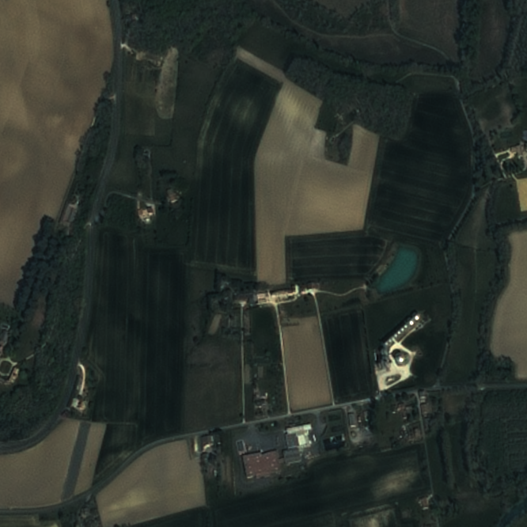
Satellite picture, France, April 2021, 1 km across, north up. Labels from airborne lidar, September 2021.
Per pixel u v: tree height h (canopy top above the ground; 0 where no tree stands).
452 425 26
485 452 8
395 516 0
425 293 0
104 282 0
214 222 0
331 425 0
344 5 0
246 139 0
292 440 0
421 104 0
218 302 12
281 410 7
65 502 0
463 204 0
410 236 0
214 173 0
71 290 20
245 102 0
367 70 19
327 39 0
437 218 0
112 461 0
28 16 0
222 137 0
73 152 0
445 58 0
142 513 0
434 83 0
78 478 0
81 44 0
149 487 0
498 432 7
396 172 0
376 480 0
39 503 0
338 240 0
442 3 0
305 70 22
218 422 0
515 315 0
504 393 6
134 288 0
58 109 0
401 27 0
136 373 0
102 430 0
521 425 6
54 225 19
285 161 0
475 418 20
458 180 0
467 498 0
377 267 0
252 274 0
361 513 0
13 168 0
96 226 13
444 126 0
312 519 0
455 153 0
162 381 0
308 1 8
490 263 0
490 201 11
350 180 0
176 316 0
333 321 0
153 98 0
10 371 0
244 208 0
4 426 7
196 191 0
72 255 25
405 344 0
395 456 0
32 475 0
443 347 0
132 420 0
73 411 11
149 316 0
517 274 0
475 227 0
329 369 0
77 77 0
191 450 0
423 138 0
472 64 25
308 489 0
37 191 0
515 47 32
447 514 13
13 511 0
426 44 0
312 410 0
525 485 22
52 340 21
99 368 0
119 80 0
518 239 0
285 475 0
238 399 0
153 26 16
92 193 6
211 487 0
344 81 25
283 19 0
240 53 0
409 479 0
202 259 0
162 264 0
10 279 0
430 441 0
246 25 25
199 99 0
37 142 0
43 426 25
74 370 0
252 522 0
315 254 0
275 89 0
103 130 12
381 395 0
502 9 0
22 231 0
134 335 0
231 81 0
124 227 7
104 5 0
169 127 0
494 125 0
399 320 0
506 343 0
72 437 0
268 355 7
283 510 0
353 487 0
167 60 0
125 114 0
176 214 8
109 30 0
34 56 0
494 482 14
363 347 0
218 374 0
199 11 19
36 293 20
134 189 0
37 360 17
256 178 0
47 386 13
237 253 0
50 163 0
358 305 19
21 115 0
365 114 19
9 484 0
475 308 0
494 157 12
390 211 0
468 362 0
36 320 0
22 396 14
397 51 0
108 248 0
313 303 0
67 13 0
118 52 0
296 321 0
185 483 0
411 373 0
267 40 0
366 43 0
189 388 0
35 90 0
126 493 0
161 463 0
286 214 0
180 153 0
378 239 0
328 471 0
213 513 0
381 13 7
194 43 15
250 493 0
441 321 0
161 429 0
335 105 18
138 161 17
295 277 0
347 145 19
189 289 0
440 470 0
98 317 0
